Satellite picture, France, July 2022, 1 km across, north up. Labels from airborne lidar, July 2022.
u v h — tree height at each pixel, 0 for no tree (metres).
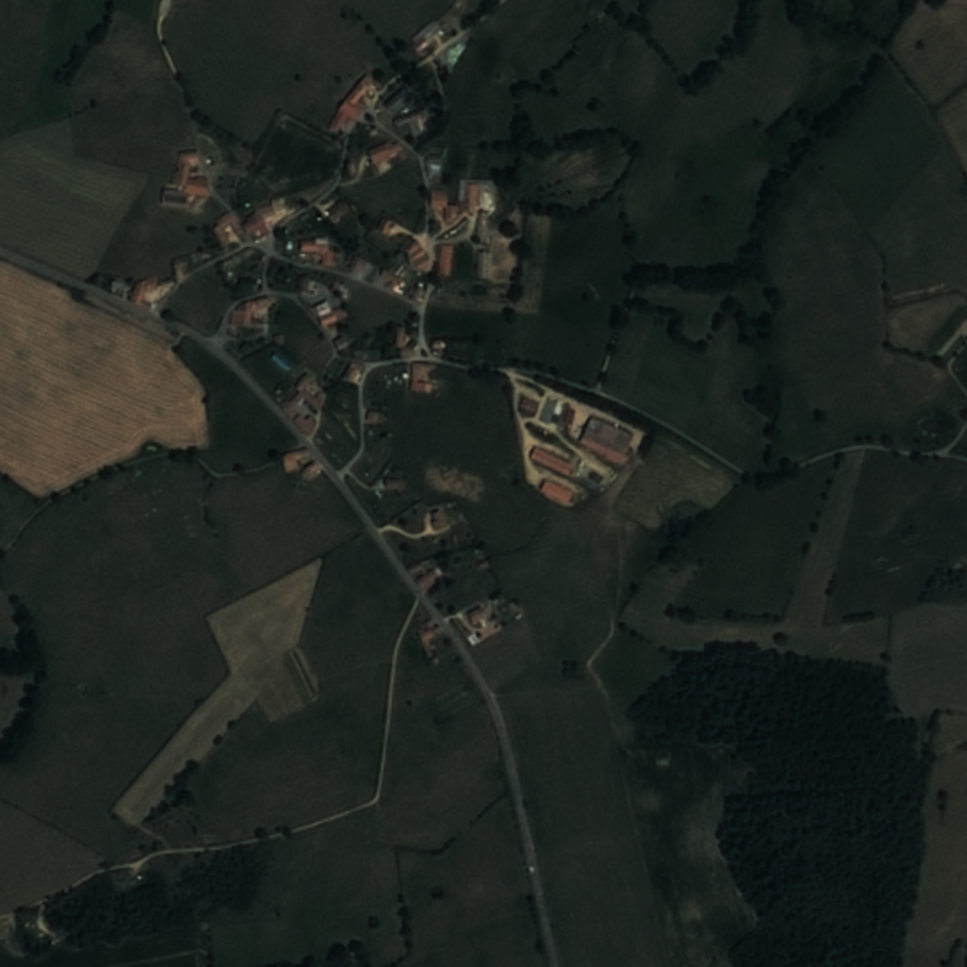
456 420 0
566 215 21
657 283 15
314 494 0
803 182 0
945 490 0
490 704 0
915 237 0
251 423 0
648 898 0
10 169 0
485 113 0
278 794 0
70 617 0
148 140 0
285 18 0
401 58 20
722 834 9
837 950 17
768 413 14
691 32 0
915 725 14
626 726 0
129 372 0
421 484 0
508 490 0
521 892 0
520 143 17
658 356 0
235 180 0
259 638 0
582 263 0
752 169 0
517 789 0
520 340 0
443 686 0
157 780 0
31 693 17
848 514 0
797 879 21
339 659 0
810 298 0
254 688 0
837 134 16
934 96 0
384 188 0
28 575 0
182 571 0
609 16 11
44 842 0
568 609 0
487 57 0
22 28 0
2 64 0
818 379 0
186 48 0
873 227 0
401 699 0
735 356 0
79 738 0
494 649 0
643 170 0
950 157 0
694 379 0
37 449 0
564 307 0
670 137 0
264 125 0
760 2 22
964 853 0
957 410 0
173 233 0
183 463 9
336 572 0
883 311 0
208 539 0
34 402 0
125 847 0
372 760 0
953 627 0
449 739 0
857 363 0
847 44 0
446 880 0
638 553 0
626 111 0
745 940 6
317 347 0
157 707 0
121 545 0
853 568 0
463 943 0
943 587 6
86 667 0
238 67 0
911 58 0
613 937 0
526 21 0
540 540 0
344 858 0
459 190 0
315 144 0
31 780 0
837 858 7
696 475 0
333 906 0
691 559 0
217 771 0
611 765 0
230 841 0
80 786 0
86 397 0
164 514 0
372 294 0
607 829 0
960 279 0
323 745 0
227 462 0
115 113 0
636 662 0
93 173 0
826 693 10
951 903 0
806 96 0
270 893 0
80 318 0
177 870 0
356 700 0
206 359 0
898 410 0
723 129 0
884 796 19
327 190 0
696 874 0
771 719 6
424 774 0
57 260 0
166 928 8
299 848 0
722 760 0
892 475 0
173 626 0
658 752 0
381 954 0
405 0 0
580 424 0
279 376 0
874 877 22
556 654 0
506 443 0
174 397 0
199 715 0
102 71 0
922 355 11
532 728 0
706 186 0
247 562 0
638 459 0
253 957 0
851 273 0
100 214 0
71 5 0
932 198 0
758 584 0
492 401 0
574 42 6
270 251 0
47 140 0
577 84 0
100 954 0
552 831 0
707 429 0
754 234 11
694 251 0
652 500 0
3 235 0
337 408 0
